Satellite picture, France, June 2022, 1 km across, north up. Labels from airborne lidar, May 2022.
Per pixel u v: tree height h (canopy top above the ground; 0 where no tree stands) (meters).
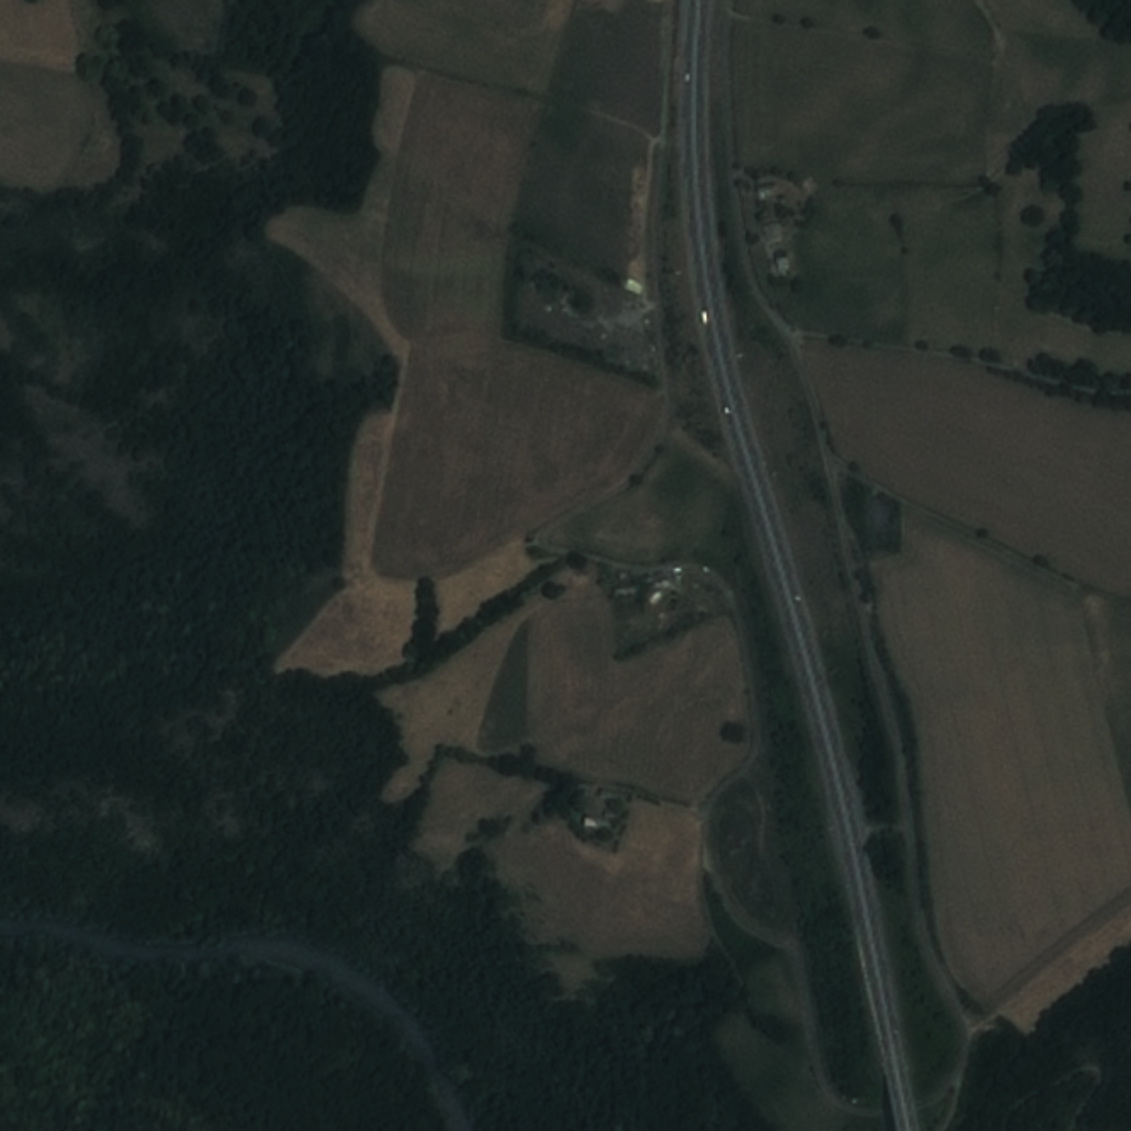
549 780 16
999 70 0
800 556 0
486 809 0
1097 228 0
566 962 0
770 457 0
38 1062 18
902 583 0
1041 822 0
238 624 16
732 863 0
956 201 0
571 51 0
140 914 21
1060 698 0
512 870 0
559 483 0
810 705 0
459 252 0
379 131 0
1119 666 0
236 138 0
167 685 12
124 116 14
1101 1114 19
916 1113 0
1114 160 0
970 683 0
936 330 0
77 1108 20
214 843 11
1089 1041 16
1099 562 0
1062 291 16
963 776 0
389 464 0
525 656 0
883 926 0
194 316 9
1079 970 0
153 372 9
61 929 0
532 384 0
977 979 0
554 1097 16
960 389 0
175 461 11
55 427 0
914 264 0
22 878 15
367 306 0
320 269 0
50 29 0
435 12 0
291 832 23
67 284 6
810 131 0
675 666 0
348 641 0
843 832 0
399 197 0
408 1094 21
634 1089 16
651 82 0
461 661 0
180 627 14
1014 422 0
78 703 14
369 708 15
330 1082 19
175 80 0
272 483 19
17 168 0
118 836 7
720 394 0
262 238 14
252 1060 23
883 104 0
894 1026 0
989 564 0
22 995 12
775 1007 0
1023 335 0
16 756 12
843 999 8
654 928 0
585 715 0
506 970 9
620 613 0
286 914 22
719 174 0
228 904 19
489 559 0
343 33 6
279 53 22
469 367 0
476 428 0
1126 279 14
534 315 0
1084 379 16
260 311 6
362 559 0
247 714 11
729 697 0
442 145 0
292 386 18
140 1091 17
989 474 0
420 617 14
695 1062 12
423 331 0
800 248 0
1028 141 16
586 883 0
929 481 0
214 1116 19
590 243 0
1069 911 0
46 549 7
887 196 0
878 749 14
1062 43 0
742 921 0
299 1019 20
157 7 0
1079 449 0
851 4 0
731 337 0
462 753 9
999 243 0
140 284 18
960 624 0
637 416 0
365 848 7
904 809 0
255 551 14
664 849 0
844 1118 0
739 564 7
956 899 0
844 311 0
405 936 8
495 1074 18
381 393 7
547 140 0
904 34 0
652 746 0
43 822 6
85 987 17
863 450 0
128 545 17
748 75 0
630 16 0
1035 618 0
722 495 0
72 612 16
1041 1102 13
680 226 0
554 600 14
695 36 0
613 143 0
